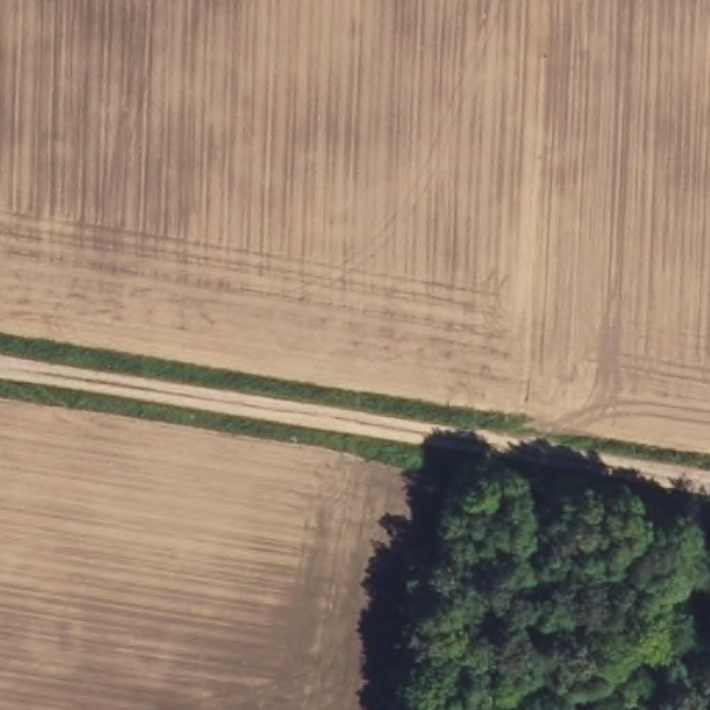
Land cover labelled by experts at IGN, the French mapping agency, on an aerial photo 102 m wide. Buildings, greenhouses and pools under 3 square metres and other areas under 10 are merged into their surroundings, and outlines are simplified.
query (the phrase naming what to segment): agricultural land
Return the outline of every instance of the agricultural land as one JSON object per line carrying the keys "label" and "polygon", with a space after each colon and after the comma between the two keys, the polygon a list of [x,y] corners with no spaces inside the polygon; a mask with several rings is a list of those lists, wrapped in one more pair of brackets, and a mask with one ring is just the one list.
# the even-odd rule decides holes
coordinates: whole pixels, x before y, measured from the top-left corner
{"label": "agricultural land", "polygon": [[596,435],[710,455],[710,0],[0,0],[0,333],[347,391],[422,399],[452,408],[521,413],[535,416],[566,435]]}
{"label": "agricultural land", "polygon": [[380,630],[388,616],[391,585],[397,582],[399,563],[413,552],[424,521],[430,519],[427,505],[435,496],[438,485],[455,477],[452,460],[469,460],[485,447],[483,438],[474,435],[474,430],[441,433],[433,433],[419,444],[419,469],[394,469],[377,460],[363,460],[352,452],[336,452],[324,447],[266,441],[252,435],[227,435],[202,427],[147,422],[97,410],[53,408],[0,397],[0,710],[386,710],[397,691],[386,685],[386,652]]}

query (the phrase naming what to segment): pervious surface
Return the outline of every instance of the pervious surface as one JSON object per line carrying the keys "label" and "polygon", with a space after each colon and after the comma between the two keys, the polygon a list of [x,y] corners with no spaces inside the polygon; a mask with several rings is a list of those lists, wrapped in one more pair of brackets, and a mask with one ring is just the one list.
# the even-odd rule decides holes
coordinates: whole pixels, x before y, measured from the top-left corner
{"label": "pervious surface", "polygon": [[266,419],[300,427],[419,444],[433,433],[441,433],[435,422],[416,422],[366,410],[347,410],[313,402],[275,399],[261,394],[241,394],[225,388],[205,388],[155,377],[0,355],[0,380],[78,388],[247,419]]}
{"label": "pervious surface", "polygon": [[679,519],[693,524],[702,510],[710,513],[710,471],[693,466],[624,458],[610,452],[599,458],[610,469],[630,469],[668,488],[682,502]]}

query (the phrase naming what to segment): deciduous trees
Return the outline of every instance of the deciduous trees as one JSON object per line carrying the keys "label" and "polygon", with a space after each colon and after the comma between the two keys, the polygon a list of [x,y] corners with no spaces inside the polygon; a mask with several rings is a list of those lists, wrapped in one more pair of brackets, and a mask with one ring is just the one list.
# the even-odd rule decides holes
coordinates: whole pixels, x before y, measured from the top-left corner
{"label": "deciduous trees", "polygon": [[469,505],[460,510],[460,516],[444,524],[452,560],[435,569],[433,588],[455,607],[444,618],[435,616],[413,627],[413,657],[424,660],[430,668],[422,674],[419,685],[408,688],[405,693],[410,710],[646,710],[646,702],[641,696],[649,696],[652,685],[641,666],[663,666],[668,679],[682,679],[688,674],[682,655],[693,646],[693,621],[682,602],[696,588],[704,588],[710,580],[710,513],[702,510],[693,524],[679,519],[677,533],[663,533],[652,527],[646,521],[643,502],[627,502],[621,496],[621,488],[616,485],[602,499],[591,488],[574,502],[566,502],[557,521],[549,524],[535,521],[527,480],[510,474],[508,480],[488,483],[483,499],[469,496]]}

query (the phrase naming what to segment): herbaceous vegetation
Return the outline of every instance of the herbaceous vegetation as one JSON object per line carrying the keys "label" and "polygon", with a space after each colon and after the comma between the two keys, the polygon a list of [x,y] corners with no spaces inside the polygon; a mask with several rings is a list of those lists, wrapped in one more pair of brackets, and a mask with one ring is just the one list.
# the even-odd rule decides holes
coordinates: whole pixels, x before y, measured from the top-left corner
{"label": "herbaceous vegetation", "polygon": [[266,441],[324,447],[336,452],[352,452],[363,460],[377,460],[394,469],[419,469],[419,444],[300,427],[266,419],[247,419],[78,388],[0,380],[0,397],[53,408],[97,410],[147,422],[202,427],[227,435],[252,435]]}
{"label": "herbaceous vegetation", "polygon": [[610,452],[624,458],[693,466],[710,471],[710,455],[596,435],[566,435],[535,416],[521,413],[452,408],[422,399],[347,391],[0,333],[0,355],[155,377],[205,388],[225,388],[241,394],[261,394],[275,399],[313,402],[347,410],[366,410],[416,422],[435,422],[441,433],[474,430],[474,435],[483,438],[485,447],[469,460],[452,460],[455,477],[438,485],[435,496],[427,505],[430,519],[424,521],[413,552],[399,563],[397,582],[391,585],[388,616],[380,630],[386,652],[386,685],[397,691],[386,710],[410,710],[405,693],[408,688],[419,685],[422,674],[430,668],[424,660],[413,657],[413,627],[435,616],[444,618],[455,607],[433,588],[435,569],[452,560],[444,524],[460,516],[460,510],[469,505],[469,496],[483,499],[488,483],[508,480],[510,474],[527,480],[535,521],[549,524],[557,521],[566,502],[574,502],[591,488],[602,499],[616,485],[621,488],[621,496],[627,502],[643,502],[646,521],[652,527],[663,533],[677,533],[679,519],[682,502],[668,488],[630,469],[610,469],[599,458]]}

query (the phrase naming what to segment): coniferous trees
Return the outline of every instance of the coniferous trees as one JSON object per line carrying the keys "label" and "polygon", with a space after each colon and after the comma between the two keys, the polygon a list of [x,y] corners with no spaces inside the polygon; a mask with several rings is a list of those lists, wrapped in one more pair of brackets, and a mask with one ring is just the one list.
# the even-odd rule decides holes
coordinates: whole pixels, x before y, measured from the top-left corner
{"label": "coniferous trees", "polygon": [[688,674],[682,679],[668,679],[663,666],[641,666],[652,685],[649,696],[641,696],[646,702],[646,710],[710,710],[710,580],[704,588],[696,588],[682,602],[693,621],[693,646],[682,655]]}

